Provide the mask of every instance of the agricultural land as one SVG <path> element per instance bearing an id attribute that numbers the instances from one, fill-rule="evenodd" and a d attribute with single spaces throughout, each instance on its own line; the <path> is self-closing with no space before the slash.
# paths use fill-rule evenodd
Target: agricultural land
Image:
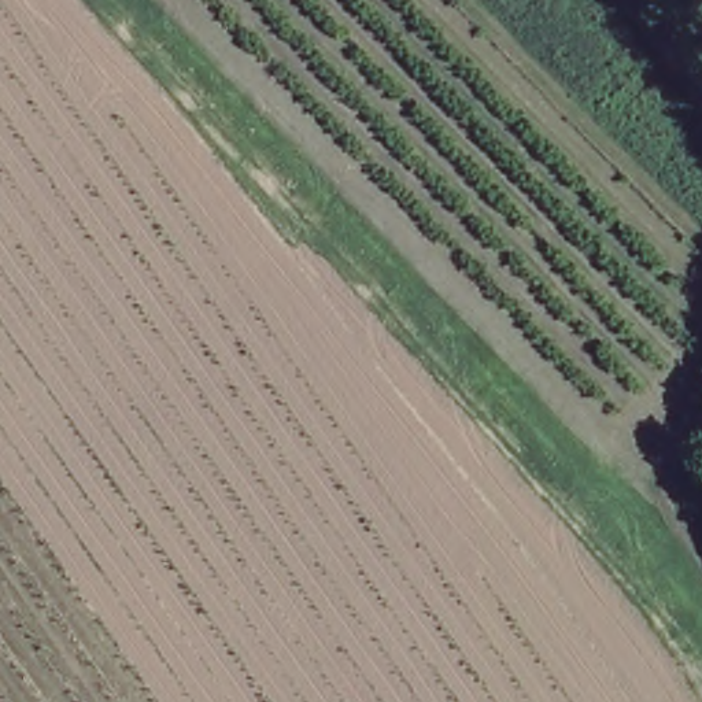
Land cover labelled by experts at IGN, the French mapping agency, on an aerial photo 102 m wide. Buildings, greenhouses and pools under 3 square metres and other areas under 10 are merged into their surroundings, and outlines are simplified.
<path id="1" fill-rule="evenodd" d="M 653 176 L 658 186 L 683 211 L 688 211 L 702 225 L 702 96 L 691 90 L 691 66 L 677 58 L 677 52 L 672 52 L 666 38 L 650 36 L 636 25 L 633 0 L 480 0 L 521 44 L 521 49 L 529 58 L 535 58 L 568 90 L 568 96 L 576 99 L 579 107 L 617 145 L 622 145 L 625 154 L 647 176 Z"/>

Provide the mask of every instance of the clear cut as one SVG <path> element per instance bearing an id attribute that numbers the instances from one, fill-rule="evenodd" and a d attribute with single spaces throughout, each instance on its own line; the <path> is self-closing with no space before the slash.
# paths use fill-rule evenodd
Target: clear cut
<path id="1" fill-rule="evenodd" d="M 274 230 L 271 219 L 241 192 L 233 176 L 214 159 L 208 145 L 200 140 L 195 126 L 170 104 L 167 93 L 129 52 L 123 52 L 104 30 L 82 0 L 0 0 L 0 107 L 11 112 L 16 129 L 25 134 L 36 156 L 44 162 L 44 170 L 33 173 L 30 159 L 8 137 L 5 123 L 0 118 L 0 488 L 5 485 L 14 494 L 16 505 L 25 510 L 25 516 L 36 524 L 38 535 L 58 554 L 71 584 L 80 590 L 85 609 L 104 620 L 104 625 L 118 639 L 121 653 L 129 664 L 140 669 L 145 686 L 159 702 L 255 702 L 236 664 L 225 655 L 228 650 L 241 653 L 250 672 L 255 675 L 255 683 L 261 683 L 263 694 L 271 702 L 562 702 L 562 697 L 548 688 L 540 664 L 532 664 L 527 650 L 507 631 L 505 620 L 496 612 L 499 606 L 510 609 L 510 614 L 518 620 L 524 633 L 535 642 L 543 661 L 551 664 L 554 675 L 562 686 L 568 686 L 576 702 L 702 702 L 702 699 L 686 688 L 683 672 L 664 653 L 658 639 L 647 631 L 636 606 L 631 606 L 620 595 L 612 579 L 584 551 L 584 546 L 565 532 L 565 527 L 548 513 L 548 507 L 518 480 L 516 469 L 480 433 L 477 422 L 469 420 L 455 400 L 447 398 L 444 389 L 433 384 L 425 367 L 381 326 L 381 321 L 359 302 L 348 282 L 340 280 L 340 274 L 321 255 L 315 255 L 304 244 L 285 244 L 285 239 Z M 118 165 L 132 178 L 137 192 L 143 192 L 148 211 L 137 211 L 137 206 L 123 192 L 112 170 L 107 170 L 93 145 L 93 140 L 99 137 L 107 143 L 110 154 L 118 159 Z M 137 302 L 143 304 L 145 315 L 156 321 L 156 326 L 162 329 L 162 332 L 159 332 L 156 337 L 154 337 L 154 335 L 148 332 L 148 326 L 145 326 L 145 324 L 140 321 L 140 315 L 137 315 L 137 313 L 134 313 L 134 310 L 132 310 L 132 307 L 129 307 L 129 304 L 123 302 L 123 296 L 126 296 L 126 293 L 134 293 L 134 296 L 137 296 Z M 329 422 L 313 406 L 302 381 L 293 378 L 296 370 L 310 376 L 318 395 L 326 400 L 326 406 L 332 406 L 332 414 L 340 422 L 337 428 L 329 428 Z M 82 452 L 82 447 L 66 428 L 63 414 L 71 414 L 77 420 L 80 431 L 104 458 L 104 463 L 126 491 L 129 502 L 118 502 L 118 496 L 107 488 L 90 458 Z M 189 488 L 203 491 L 203 496 L 214 507 L 214 516 L 222 518 L 228 535 L 239 543 L 239 551 L 247 559 L 247 565 L 236 565 L 233 551 L 217 540 L 214 521 L 206 521 L 203 507 L 189 499 Z M 359 529 L 356 518 L 346 507 L 348 496 L 362 505 L 362 513 L 381 532 L 381 540 L 373 540 L 367 532 Z M 134 518 L 126 513 L 129 507 L 140 507 L 140 518 L 151 527 L 151 532 L 156 532 L 162 548 L 170 551 L 176 570 L 165 570 L 165 565 L 159 565 L 148 540 L 134 529 Z M 439 587 L 431 568 L 433 562 L 441 565 L 447 579 L 461 592 L 461 606 L 455 606 Z M 378 609 L 370 592 L 362 587 L 356 576 L 356 570 L 362 568 L 376 581 L 381 595 L 389 601 L 387 609 Z M 455 650 L 447 650 L 439 633 L 433 631 L 431 620 L 422 617 L 422 603 L 431 603 L 431 609 L 439 612 L 444 628 L 450 628 L 450 633 L 458 642 Z"/>

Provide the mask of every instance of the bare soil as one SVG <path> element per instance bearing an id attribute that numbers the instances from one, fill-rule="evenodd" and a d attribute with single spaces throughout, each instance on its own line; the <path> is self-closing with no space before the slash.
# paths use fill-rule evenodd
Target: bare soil
<path id="1" fill-rule="evenodd" d="M 118 22 L 104 30 L 123 52 L 129 52 L 132 30 L 126 22 Z"/>

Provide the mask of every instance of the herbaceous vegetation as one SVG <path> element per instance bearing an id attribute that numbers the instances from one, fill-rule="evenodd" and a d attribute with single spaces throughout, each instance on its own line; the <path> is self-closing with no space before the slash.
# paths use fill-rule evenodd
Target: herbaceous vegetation
<path id="1" fill-rule="evenodd" d="M 118 639 L 104 625 L 104 620 L 85 609 L 80 590 L 71 584 L 58 554 L 38 535 L 36 524 L 25 516 L 25 510 L 16 505 L 14 494 L 5 485 L 0 488 L 0 702 L 159 702 L 145 686 L 140 669 L 129 664 L 121 653 Z"/>
<path id="2" fill-rule="evenodd" d="M 389 33 L 400 33 L 403 19 L 395 11 L 389 11 L 384 0 L 359 0 L 359 14 L 373 25 L 384 22 Z"/>
<path id="3" fill-rule="evenodd" d="M 315 0 L 335 25 L 348 25 L 354 19 L 343 11 L 337 0 Z"/>
<path id="4" fill-rule="evenodd" d="M 502 148 L 516 151 L 516 159 L 524 162 L 524 170 L 548 195 L 559 197 L 559 203 L 570 211 L 570 219 L 579 228 L 587 228 L 601 239 L 601 255 L 584 255 L 557 233 L 546 214 L 537 211 L 537 206 L 516 184 L 510 184 L 496 170 L 496 165 L 466 137 L 466 132 L 458 129 L 458 123 L 450 115 L 444 115 L 425 96 L 425 90 L 392 60 L 392 55 L 367 30 L 362 30 L 359 22 L 348 27 L 351 44 L 343 44 L 315 30 L 310 19 L 304 19 L 288 0 L 266 0 L 266 8 L 274 16 L 274 22 L 285 22 L 296 33 L 302 33 L 304 41 L 321 52 L 324 63 L 329 63 L 346 82 L 351 82 L 351 88 L 365 99 L 365 104 L 373 112 L 384 115 L 387 126 L 398 126 L 411 154 L 428 165 L 428 173 L 441 176 L 444 186 L 461 195 L 466 211 L 477 219 L 477 225 L 494 228 L 494 233 L 507 241 L 507 252 L 496 255 L 494 250 L 488 250 L 488 241 L 483 236 L 472 239 L 463 230 L 463 214 L 450 214 L 436 200 L 428 206 L 425 214 L 433 219 L 433 225 L 444 228 L 461 250 L 447 252 L 447 247 L 428 241 L 406 217 L 406 211 L 400 211 L 389 195 L 370 184 L 362 167 L 348 154 L 343 154 L 310 115 L 302 112 L 299 101 L 304 99 L 304 93 L 315 96 L 315 101 L 324 104 L 332 118 L 343 123 L 348 134 L 356 137 L 356 143 L 373 159 L 373 165 L 392 173 L 400 186 L 406 186 L 414 195 L 417 203 L 428 197 L 428 189 L 411 170 L 403 170 L 398 159 L 392 159 L 384 151 L 381 143 L 373 140 L 370 129 L 356 118 L 356 112 L 346 107 L 307 71 L 304 60 L 299 60 L 299 55 L 288 44 L 269 33 L 269 27 L 250 8 L 247 0 L 82 0 L 104 30 L 118 22 L 126 22 L 132 30 L 129 52 L 167 93 L 170 104 L 195 126 L 200 140 L 208 145 L 214 159 L 233 176 L 241 192 L 271 219 L 274 230 L 285 239 L 285 244 L 304 244 L 315 255 L 321 255 L 340 274 L 340 280 L 348 282 L 359 302 L 381 321 L 381 326 L 425 367 L 433 384 L 444 389 L 447 398 L 455 400 L 469 420 L 477 422 L 480 433 L 516 469 L 518 480 L 548 507 L 548 513 L 565 527 L 565 532 L 584 546 L 584 551 L 612 579 L 620 595 L 631 606 L 636 606 L 647 631 L 658 639 L 664 653 L 683 672 L 686 688 L 702 699 L 702 496 L 680 485 L 675 466 L 680 461 L 675 461 L 675 450 L 677 436 L 683 433 L 691 411 L 702 406 L 702 343 L 694 351 L 683 354 L 677 343 L 672 343 L 633 307 L 622 280 L 631 277 L 636 285 L 647 288 L 650 299 L 655 299 L 666 310 L 666 318 L 677 318 L 683 313 L 686 329 L 702 340 L 702 225 L 688 211 L 683 211 L 658 186 L 653 176 L 647 176 L 625 154 L 622 145 L 617 145 L 579 107 L 576 99 L 568 96 L 568 90 L 535 58 L 529 58 L 521 49 L 521 44 L 480 0 L 411 0 L 414 11 L 425 14 L 439 27 L 444 44 L 450 44 L 463 58 L 472 58 L 472 69 L 480 69 L 483 80 L 491 82 L 499 99 L 521 110 L 524 118 L 537 129 L 537 134 L 557 145 L 559 154 L 565 154 L 568 165 L 576 167 L 579 176 L 584 176 L 584 192 L 576 195 L 573 189 L 568 189 L 568 178 L 557 165 L 540 165 L 543 154 L 532 140 L 524 148 L 516 143 L 516 134 L 521 134 L 518 123 L 499 123 L 494 115 L 485 112 L 480 101 L 472 99 L 463 80 L 455 80 L 461 71 L 458 63 L 452 63 L 450 58 L 436 60 L 428 44 L 409 30 L 403 33 L 400 44 L 406 47 L 406 55 L 428 66 L 431 82 L 452 88 L 458 99 L 472 104 L 474 123 L 485 126 Z M 241 30 L 252 30 L 255 38 L 266 44 L 269 58 L 274 58 L 277 63 L 288 66 L 299 77 L 304 93 L 291 99 L 274 82 L 277 63 L 269 63 L 263 69 L 252 55 L 241 52 Z M 406 90 L 409 101 L 398 104 L 392 101 L 392 90 L 370 88 L 351 63 L 356 49 L 362 49 L 373 66 L 392 77 L 392 82 Z M 441 159 L 433 151 L 436 145 L 441 145 L 441 134 L 452 140 L 452 148 L 461 156 L 469 156 L 483 173 L 488 173 L 491 184 L 499 184 L 502 195 L 516 206 L 516 214 L 535 222 L 540 239 L 532 241 L 527 230 L 510 228 L 499 211 L 485 206 L 488 192 L 474 195 L 472 186 L 463 184 L 452 165 L 447 165 L 447 159 Z M 625 233 L 622 225 L 639 230 L 644 241 L 653 244 L 653 250 L 669 269 L 666 274 L 655 277 L 647 269 L 636 266 L 636 258 L 631 258 L 625 247 L 617 244 L 617 236 Z M 579 296 L 568 291 L 562 277 L 548 269 L 548 263 L 540 258 L 540 250 L 546 247 L 557 250 L 559 263 L 573 263 L 576 280 L 587 282 L 603 304 L 614 304 L 614 313 L 631 326 L 633 337 L 642 337 L 653 346 L 650 362 L 636 359 L 633 354 L 628 354 L 625 346 L 617 343 L 609 346 L 603 354 L 598 351 L 601 343 L 612 343 L 614 335 Z M 535 274 L 535 282 L 551 291 L 551 296 L 557 296 L 562 307 L 573 313 L 576 321 L 570 321 L 570 326 L 551 318 L 532 299 L 524 280 L 510 274 L 510 252 L 521 255 L 524 269 Z M 480 261 L 485 266 L 485 274 L 507 296 L 518 299 L 529 321 L 570 359 L 570 365 L 587 373 L 587 378 L 595 384 L 592 398 L 581 398 L 554 370 L 551 362 L 535 354 L 535 348 L 513 326 L 510 315 L 480 296 L 477 285 L 463 274 L 463 255 Z"/>

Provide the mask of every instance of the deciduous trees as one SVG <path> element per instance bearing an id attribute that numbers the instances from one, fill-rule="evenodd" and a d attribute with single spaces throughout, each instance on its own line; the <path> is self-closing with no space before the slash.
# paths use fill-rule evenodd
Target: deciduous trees
<path id="1" fill-rule="evenodd" d="M 134 310 L 134 313 L 137 313 L 137 315 L 140 315 L 140 321 L 145 324 L 145 326 L 148 326 L 148 332 L 154 335 L 154 337 L 156 337 L 159 332 L 162 332 L 162 329 L 156 326 L 156 321 L 145 315 L 143 304 L 137 302 L 137 296 L 134 296 L 134 293 L 126 293 L 126 296 L 123 296 L 123 302 L 129 304 L 129 307 L 132 307 L 132 310 Z"/>
<path id="2" fill-rule="evenodd" d="M 524 280 L 532 299 L 551 318 L 570 326 L 570 321 L 576 321 L 573 313 L 562 307 L 557 296 L 551 296 L 551 291 L 535 282 L 535 274 L 524 269 L 521 255 L 510 252 L 510 274 Z"/>
<path id="3" fill-rule="evenodd" d="M 636 359 L 650 362 L 653 346 L 642 337 L 633 337 L 631 326 L 614 313 L 614 304 L 603 304 L 587 282 L 576 280 L 573 263 L 559 263 L 557 250 L 546 247 L 540 250 L 540 258 L 548 263 L 548 269 L 562 277 L 568 291 L 579 296 L 614 335 L 612 343 L 601 343 L 598 351 L 603 354 L 609 346 L 617 343 L 625 346 L 628 354 L 633 354 Z"/>
<path id="4" fill-rule="evenodd" d="M 228 535 L 222 518 L 214 516 L 214 507 L 203 496 L 203 491 L 189 488 L 189 499 L 203 507 L 206 521 L 214 521 L 217 540 L 233 551 L 236 565 L 247 565 L 247 559 L 239 551 L 239 543 Z"/>
<path id="5" fill-rule="evenodd" d="M 93 145 L 107 170 L 112 170 L 123 192 L 137 206 L 137 211 L 148 211 L 143 192 L 137 192 L 132 178 L 118 165 L 118 159 L 110 154 L 107 143 L 99 137 L 93 140 Z"/>
<path id="6" fill-rule="evenodd" d="M 551 362 L 554 370 L 581 398 L 592 398 L 595 384 L 587 378 L 587 373 L 570 365 L 570 359 L 529 321 L 518 299 L 507 296 L 485 274 L 485 266 L 480 261 L 463 255 L 463 274 L 477 285 L 480 296 L 510 315 L 513 326 L 535 348 L 535 354 Z"/>
<path id="7" fill-rule="evenodd" d="M 255 675 L 250 672 L 241 653 L 228 650 L 225 655 L 236 664 L 255 702 L 271 702 L 263 694 L 261 683 L 255 683 Z"/>
<path id="8" fill-rule="evenodd" d="M 104 463 L 104 458 L 80 431 L 77 420 L 71 414 L 63 414 L 66 428 L 82 447 L 82 452 L 90 458 L 107 488 L 118 496 L 118 502 L 129 502 L 126 491 Z"/>
<path id="9" fill-rule="evenodd" d="M 365 99 L 351 88 L 351 82 L 346 82 L 329 63 L 324 63 L 321 52 L 304 41 L 302 33 L 296 33 L 285 22 L 274 22 L 274 16 L 266 8 L 266 0 L 247 0 L 250 8 L 269 27 L 269 33 L 288 44 L 299 55 L 299 60 L 304 60 L 307 71 L 346 107 L 356 112 L 356 118 L 370 129 L 373 140 L 381 143 L 384 151 L 392 159 L 398 159 L 403 170 L 411 170 L 428 189 L 428 197 L 417 203 L 414 195 L 406 186 L 400 186 L 392 173 L 373 165 L 373 159 L 356 143 L 356 137 L 348 134 L 343 123 L 332 118 L 324 104 L 315 101 L 315 96 L 304 93 L 304 99 L 299 101 L 302 112 L 310 115 L 343 154 L 348 154 L 362 167 L 370 184 L 389 195 L 400 211 L 406 211 L 406 217 L 428 241 L 447 247 L 447 252 L 461 250 L 444 228 L 433 225 L 433 219 L 425 214 L 428 206 L 436 200 L 450 214 L 463 214 L 463 230 L 472 239 L 483 236 L 488 241 L 488 250 L 494 250 L 496 255 L 507 252 L 507 241 L 494 233 L 494 228 L 477 225 L 477 219 L 466 211 L 461 195 L 444 186 L 441 176 L 428 173 L 428 165 L 411 154 L 398 126 L 387 126 L 384 115 L 373 112 L 365 104 Z"/>
<path id="10" fill-rule="evenodd" d="M 425 96 L 444 115 L 450 115 L 458 123 L 458 129 L 466 132 L 466 137 L 496 165 L 496 170 L 510 184 L 516 184 L 537 206 L 537 211 L 546 214 L 557 233 L 584 255 L 601 255 L 601 239 L 587 228 L 579 228 L 570 219 L 570 211 L 559 203 L 559 197 L 548 195 L 524 170 L 524 162 L 516 159 L 516 151 L 502 148 L 485 126 L 474 123 L 472 104 L 458 99 L 452 88 L 431 82 L 428 66 L 406 55 L 406 47 L 400 44 L 403 33 L 409 30 L 428 44 L 436 60 L 450 58 L 452 63 L 458 63 L 461 71 L 455 80 L 463 80 L 472 99 L 480 101 L 485 112 L 494 115 L 499 123 L 518 123 L 521 134 L 516 134 L 516 143 L 524 148 L 532 140 L 543 154 L 540 165 L 557 165 L 568 178 L 568 189 L 573 189 L 576 195 L 584 192 L 584 176 L 579 176 L 576 167 L 568 165 L 565 154 L 559 154 L 557 145 L 537 134 L 537 129 L 524 118 L 521 110 L 499 99 L 491 82 L 483 80 L 480 69 L 472 69 L 472 58 L 463 58 L 450 44 L 444 44 L 439 27 L 425 14 L 414 11 L 411 0 L 384 0 L 389 11 L 395 11 L 403 19 L 400 33 L 389 33 L 384 22 L 373 25 L 359 14 L 359 0 L 337 0 L 343 11 L 354 19 L 348 25 L 335 25 L 315 0 L 288 0 L 304 19 L 310 19 L 315 30 L 343 44 L 351 44 L 348 27 L 359 22 L 362 30 L 367 30 L 392 55 L 392 60 L 425 90 Z"/>
<path id="11" fill-rule="evenodd" d="M 461 606 L 461 592 L 447 579 L 441 565 L 433 562 L 431 568 L 439 587 L 455 606 Z"/>
<path id="12" fill-rule="evenodd" d="M 299 77 L 288 66 L 277 63 L 274 82 L 291 99 L 304 93 Z"/>
<path id="13" fill-rule="evenodd" d="M 510 609 L 499 606 L 496 612 L 505 620 L 507 631 L 527 650 L 532 664 L 540 664 L 548 688 L 562 697 L 562 702 L 576 702 L 568 686 L 562 686 L 554 675 L 551 664 L 543 661 L 535 642 L 524 633 L 518 620 L 510 614 Z"/>
<path id="14" fill-rule="evenodd" d="M 680 461 L 675 466 L 680 485 L 702 496 L 702 406 L 691 411 L 683 433 L 677 436 L 675 450 L 675 461 Z"/>
<path id="15" fill-rule="evenodd" d="M 677 318 L 666 318 L 666 310 L 655 299 L 650 299 L 647 288 L 636 285 L 631 277 L 622 280 L 633 307 L 672 343 L 677 343 L 683 354 L 694 351 L 702 343 L 702 340 L 686 329 L 683 313 Z"/>
<path id="16" fill-rule="evenodd" d="M 702 0 L 633 0 L 636 25 L 650 36 L 666 38 L 672 52 L 677 52 L 677 58 L 691 66 L 691 90 L 702 96 Z"/>
<path id="17" fill-rule="evenodd" d="M 36 156 L 25 134 L 16 129 L 11 112 L 0 107 L 0 118 L 5 123 L 8 137 L 30 159 L 33 173 L 44 170 L 44 162 Z"/>
<path id="18" fill-rule="evenodd" d="M 636 258 L 636 266 L 647 269 L 655 277 L 666 274 L 669 269 L 653 250 L 653 244 L 644 241 L 639 230 L 622 225 L 625 233 L 617 236 L 617 244 L 625 247 L 631 258 Z"/>
<path id="19" fill-rule="evenodd" d="M 387 609 L 389 601 L 381 595 L 376 581 L 362 568 L 356 570 L 356 576 L 362 587 L 370 592 L 378 609 Z"/>
<path id="20" fill-rule="evenodd" d="M 293 378 L 302 381 L 313 406 L 329 422 L 329 428 L 337 428 L 340 422 L 332 414 L 332 406 L 326 406 L 326 400 L 318 395 L 310 376 L 296 370 Z"/>
<path id="21" fill-rule="evenodd" d="M 165 570 L 176 570 L 170 551 L 162 548 L 156 532 L 151 532 L 151 527 L 140 518 L 140 507 L 129 507 L 126 513 L 134 518 L 134 529 L 148 540 L 159 565 L 165 565 Z"/>
<path id="22" fill-rule="evenodd" d="M 269 63 L 277 63 L 274 58 L 269 58 L 266 44 L 255 38 L 252 30 L 241 30 L 241 52 L 252 55 L 263 69 Z"/>
<path id="23" fill-rule="evenodd" d="M 439 612 L 431 609 L 431 603 L 422 603 L 422 617 L 431 620 L 433 631 L 439 633 L 447 650 L 455 650 L 458 642 L 450 633 L 450 628 L 444 628 Z"/>
<path id="24" fill-rule="evenodd" d="M 483 173 L 469 156 L 461 156 L 452 148 L 452 140 L 441 134 L 441 145 L 436 145 L 433 151 L 441 159 L 447 159 L 447 165 L 452 165 L 463 184 L 472 186 L 474 195 L 488 192 L 485 206 L 499 211 L 510 228 L 527 230 L 532 241 L 540 239 L 535 222 L 516 214 L 516 206 L 502 195 L 499 184 L 491 184 L 488 173 Z"/>
<path id="25" fill-rule="evenodd" d="M 392 82 L 392 77 L 373 66 L 362 49 L 356 49 L 351 63 L 370 88 L 392 90 L 392 101 L 398 104 L 409 101 L 406 90 Z"/>
<path id="26" fill-rule="evenodd" d="M 367 532 L 373 540 L 381 540 L 381 532 L 362 513 L 362 505 L 348 496 L 346 507 L 356 518 L 359 529 Z"/>

